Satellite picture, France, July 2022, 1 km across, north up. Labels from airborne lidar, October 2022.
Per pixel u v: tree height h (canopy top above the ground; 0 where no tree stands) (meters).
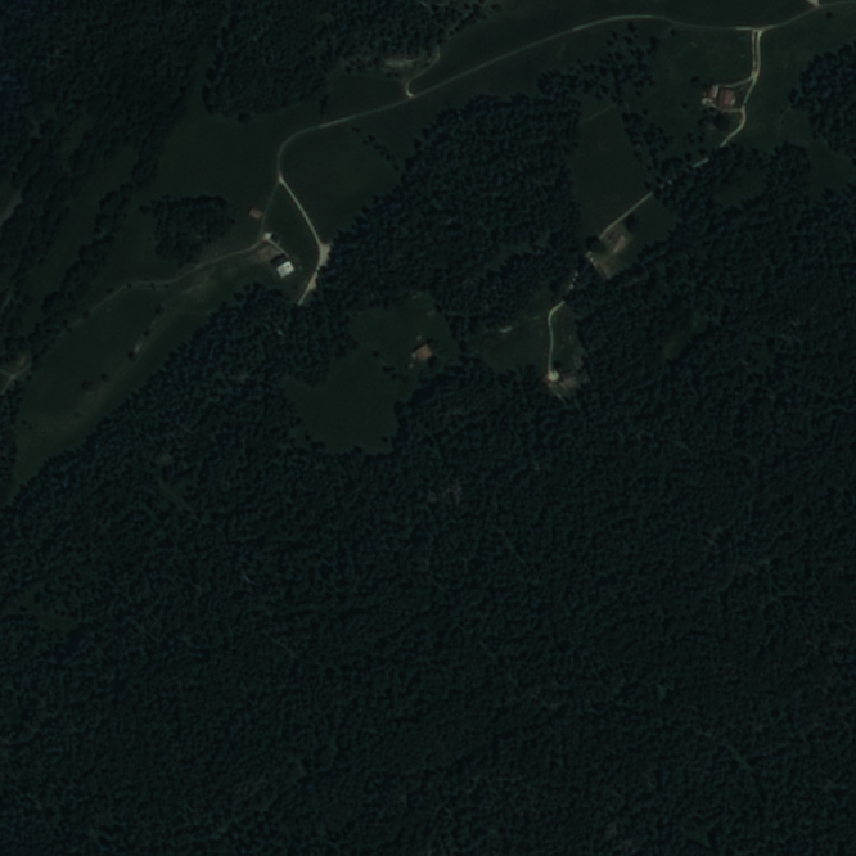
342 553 9
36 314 0
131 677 28
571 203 16
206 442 16
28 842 26
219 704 22
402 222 27
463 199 11
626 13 0
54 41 13
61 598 16
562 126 21
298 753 30
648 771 21
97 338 0
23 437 0
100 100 17
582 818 21
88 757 23
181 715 28
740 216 26
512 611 26
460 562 25
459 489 31
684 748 29
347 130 0
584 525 21
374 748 27
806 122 0
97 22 24
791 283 25
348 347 8
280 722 22
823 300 23
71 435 0
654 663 15
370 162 0
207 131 0
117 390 0
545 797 19
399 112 0
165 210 13
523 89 0
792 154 15
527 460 21
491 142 9
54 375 0
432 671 23
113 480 9
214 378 28
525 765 21
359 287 19
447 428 14
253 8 15
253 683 26
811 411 25
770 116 0
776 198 18
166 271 0
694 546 23
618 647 21
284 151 0
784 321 24
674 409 18
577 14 0
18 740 28
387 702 18
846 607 26
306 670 16
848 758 22
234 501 14
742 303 24
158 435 18
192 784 19
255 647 19
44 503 29
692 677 13
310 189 0
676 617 18
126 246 0
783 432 24
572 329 0
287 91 16
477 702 25
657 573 27
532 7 0
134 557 8
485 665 19
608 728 27
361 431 0
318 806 26
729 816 26
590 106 0
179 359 19
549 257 22
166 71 6
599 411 18
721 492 26
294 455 19
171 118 24
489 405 22
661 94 0
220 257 0
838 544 27
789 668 20
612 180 0
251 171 0
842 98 26
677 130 0
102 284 0
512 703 20
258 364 15
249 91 14
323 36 17
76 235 0
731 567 28
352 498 17
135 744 22
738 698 18
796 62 0
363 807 11
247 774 20
